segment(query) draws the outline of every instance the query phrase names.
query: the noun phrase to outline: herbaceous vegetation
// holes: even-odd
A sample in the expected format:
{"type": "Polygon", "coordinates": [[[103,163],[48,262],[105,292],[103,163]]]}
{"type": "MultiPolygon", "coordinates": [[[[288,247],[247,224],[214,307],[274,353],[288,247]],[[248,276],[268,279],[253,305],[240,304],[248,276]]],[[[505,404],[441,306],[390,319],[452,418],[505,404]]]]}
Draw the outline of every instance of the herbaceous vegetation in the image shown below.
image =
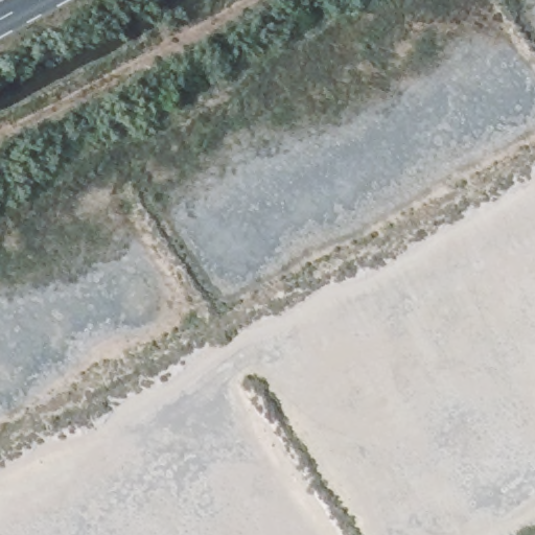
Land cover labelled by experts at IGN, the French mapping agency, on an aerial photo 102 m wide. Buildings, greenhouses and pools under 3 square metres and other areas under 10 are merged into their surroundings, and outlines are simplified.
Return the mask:
{"type": "Polygon", "coordinates": [[[286,127],[293,121],[309,119],[309,115],[324,113],[341,117],[341,113],[349,107],[351,96],[364,94],[368,100],[387,98],[391,82],[431,75],[437,67],[441,67],[443,61],[447,61],[453,54],[453,40],[474,42],[476,33],[483,33],[487,40],[506,44],[510,42],[510,36],[504,31],[502,21],[512,19],[518,31],[529,42],[531,50],[535,52],[535,0],[351,0],[347,4],[347,10],[339,10],[336,19],[330,19],[324,13],[322,23],[305,31],[303,38],[297,40],[293,46],[284,48],[282,42],[276,38],[263,54],[251,54],[247,59],[249,67],[242,69],[242,73],[236,79],[228,82],[222,90],[209,90],[199,94],[194,104],[178,109],[176,113],[167,115],[165,130],[157,130],[155,138],[144,136],[144,140],[134,140],[130,134],[117,136],[113,150],[100,150],[98,155],[92,155],[88,159],[79,159],[77,153],[71,150],[71,163],[65,165],[65,171],[56,180],[56,184],[52,184],[50,190],[40,192],[38,201],[29,201],[31,211],[21,215],[15,209],[6,207],[4,217],[0,215],[0,284],[31,284],[33,288],[44,288],[52,280],[59,280],[65,284],[75,284],[82,276],[92,272],[94,263],[119,261],[132,247],[134,238],[140,236],[132,222],[132,207],[148,194],[148,184],[171,180],[178,176],[180,167],[188,165],[190,159],[211,155],[213,150],[222,148],[224,138],[230,132],[247,130],[251,125],[278,130],[286,127]]]}
{"type": "Polygon", "coordinates": [[[67,19],[73,19],[82,10],[82,6],[77,4],[79,0],[59,0],[48,13],[36,15],[25,25],[0,33],[0,71],[6,73],[15,69],[8,56],[13,50],[23,46],[31,48],[31,54],[38,59],[42,59],[44,50],[54,50],[65,56],[67,46],[63,42],[63,36],[56,33],[56,27],[61,27],[67,19]]]}

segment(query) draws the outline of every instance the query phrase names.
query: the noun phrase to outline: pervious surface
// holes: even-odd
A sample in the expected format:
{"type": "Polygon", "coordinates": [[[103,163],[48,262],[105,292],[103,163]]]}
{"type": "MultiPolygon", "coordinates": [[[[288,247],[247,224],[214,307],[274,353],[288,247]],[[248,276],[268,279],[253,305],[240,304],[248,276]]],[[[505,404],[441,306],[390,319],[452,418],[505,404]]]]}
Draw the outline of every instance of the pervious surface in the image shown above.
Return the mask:
{"type": "Polygon", "coordinates": [[[178,364],[159,370],[155,376],[138,376],[138,387],[142,391],[127,393],[125,397],[109,397],[111,412],[92,418],[90,428],[56,428],[56,433],[46,437],[44,443],[33,443],[29,449],[23,449],[21,458],[8,460],[6,466],[0,468],[0,535],[343,535],[343,529],[330,514],[330,506],[320,497],[318,491],[309,491],[311,474],[307,468],[299,468],[299,453],[284,441],[282,435],[276,433],[278,422],[268,420],[265,414],[253,408],[251,397],[255,391],[247,391],[242,387],[242,380],[249,374],[263,376],[270,382],[270,391],[278,397],[293,431],[307,445],[311,458],[318,462],[318,470],[322,472],[324,481],[339,495],[349,514],[355,516],[355,522],[364,535],[535,535],[535,163],[531,167],[531,178],[527,182],[512,184],[497,196],[497,201],[489,201],[479,207],[468,207],[462,219],[458,219],[456,224],[439,226],[435,234],[426,236],[420,242],[408,245],[408,251],[403,251],[397,259],[387,259],[380,268],[362,268],[355,272],[355,276],[345,278],[341,282],[341,259],[322,263],[313,272],[313,276],[320,278],[324,274],[330,274],[332,280],[326,286],[313,290],[305,301],[284,309],[278,316],[263,316],[261,320],[255,320],[240,332],[236,328],[226,330],[224,339],[228,341],[228,345],[205,345],[180,357],[178,364]]]}
{"type": "Polygon", "coordinates": [[[25,416],[27,408],[42,405],[56,397],[61,391],[69,391],[73,382],[82,380],[82,370],[86,370],[90,364],[100,359],[119,359],[127,347],[134,347],[136,343],[146,345],[155,341],[163,332],[169,332],[173,326],[180,326],[182,320],[186,324],[192,324],[199,318],[205,320],[211,316],[207,301],[194,288],[186,270],[169,253],[165,240],[161,236],[140,236],[134,238],[132,247],[119,261],[94,263],[92,272],[82,276],[75,284],[65,284],[59,280],[52,280],[44,288],[33,288],[31,284],[0,284],[0,424],[15,422],[25,416]]]}
{"type": "Polygon", "coordinates": [[[263,282],[280,278],[288,270],[297,274],[305,263],[311,263],[322,255],[332,253],[334,247],[343,247],[345,240],[351,240],[355,247],[372,245],[376,236],[385,234],[387,224],[401,219],[401,213],[395,211],[395,207],[399,203],[405,203],[410,196],[418,194],[418,190],[431,188],[433,199],[439,199],[449,192],[449,188],[453,188],[458,180],[466,180],[476,171],[483,171],[493,161],[512,157],[520,146],[535,144],[535,52],[531,50],[529,42],[518,31],[512,19],[502,21],[504,31],[510,36],[510,42],[506,44],[487,40],[483,33],[476,33],[474,42],[453,40],[453,54],[447,61],[443,61],[441,67],[437,67],[431,75],[391,82],[387,98],[368,100],[364,94],[351,96],[349,107],[341,113],[341,117],[324,113],[309,115],[309,119],[293,121],[286,127],[278,130],[251,125],[247,130],[230,132],[224,138],[222,148],[213,150],[211,155],[190,159],[188,165],[180,167],[178,176],[171,180],[148,184],[148,194],[155,196],[155,201],[163,201],[165,196],[169,196],[176,228],[186,247],[190,249],[190,253],[199,257],[213,286],[222,295],[242,299],[245,293],[259,293],[259,286],[263,282]]]}
{"type": "Polygon", "coordinates": [[[203,19],[194,23],[182,27],[180,31],[176,27],[159,23],[161,42],[157,46],[144,50],[140,56],[127,63],[117,65],[98,79],[88,82],[75,88],[73,92],[67,92],[59,102],[48,102],[46,107],[13,123],[0,125],[0,146],[8,136],[19,134],[25,127],[38,127],[42,121],[56,121],[65,117],[65,113],[77,109],[82,102],[92,102],[94,98],[109,96],[109,88],[117,88],[121,92],[136,77],[142,75],[142,71],[153,69],[157,56],[165,59],[169,54],[184,52],[184,48],[192,42],[207,40],[211,33],[222,33],[230,21],[240,17],[245,8],[255,8],[261,13],[263,4],[259,0],[228,0],[215,15],[203,19]]]}

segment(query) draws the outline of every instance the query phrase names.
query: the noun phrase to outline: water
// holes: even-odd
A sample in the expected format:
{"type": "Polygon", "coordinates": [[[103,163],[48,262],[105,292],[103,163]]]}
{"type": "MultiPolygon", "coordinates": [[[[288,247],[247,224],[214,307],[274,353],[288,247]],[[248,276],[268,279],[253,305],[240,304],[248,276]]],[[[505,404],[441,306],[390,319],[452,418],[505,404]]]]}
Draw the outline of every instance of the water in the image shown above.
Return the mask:
{"type": "Polygon", "coordinates": [[[199,8],[205,0],[180,0],[178,4],[190,15],[194,23],[203,19],[199,17],[199,8]]]}
{"type": "Polygon", "coordinates": [[[125,36],[130,40],[140,38],[142,31],[153,27],[134,13],[123,25],[125,36]]]}
{"type": "Polygon", "coordinates": [[[38,67],[29,77],[6,79],[0,86],[0,111],[46,88],[48,84],[73,73],[75,69],[117,50],[121,46],[119,40],[102,40],[98,44],[79,48],[71,56],[65,56],[54,67],[48,67],[42,61],[38,61],[38,67]]]}

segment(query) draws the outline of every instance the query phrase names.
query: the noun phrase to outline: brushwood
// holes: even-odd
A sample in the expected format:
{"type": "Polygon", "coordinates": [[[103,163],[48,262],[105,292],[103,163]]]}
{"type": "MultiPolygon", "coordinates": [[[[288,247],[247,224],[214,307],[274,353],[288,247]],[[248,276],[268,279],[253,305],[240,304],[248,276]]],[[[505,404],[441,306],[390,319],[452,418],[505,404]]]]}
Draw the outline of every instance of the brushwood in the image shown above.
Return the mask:
{"type": "Polygon", "coordinates": [[[127,63],[140,56],[144,50],[157,46],[161,42],[159,23],[176,27],[180,31],[182,27],[194,23],[190,15],[178,4],[180,0],[79,0],[77,4],[82,6],[82,10],[73,19],[67,19],[61,27],[56,27],[56,33],[63,36],[63,42],[67,46],[65,56],[71,56],[79,48],[98,44],[102,40],[119,40],[121,46],[117,50],[75,69],[73,73],[48,84],[46,88],[0,111],[0,125],[13,123],[46,107],[48,102],[59,102],[67,92],[73,92],[75,88],[88,82],[98,79],[117,65],[127,63]],[[134,13],[153,27],[142,31],[140,38],[130,40],[125,36],[123,25],[134,13]]]}
{"type": "Polygon", "coordinates": [[[155,341],[146,345],[136,343],[134,347],[127,347],[119,359],[100,359],[90,364],[86,370],[82,370],[82,380],[73,382],[69,391],[61,391],[56,397],[42,405],[27,408],[25,416],[15,422],[0,424],[0,468],[6,466],[8,460],[21,458],[23,449],[29,449],[33,443],[44,443],[46,437],[56,433],[56,428],[90,428],[92,418],[111,412],[109,397],[125,397],[127,393],[142,391],[138,387],[138,376],[155,376],[159,370],[178,364],[180,357],[205,345],[228,345],[228,341],[224,339],[226,330],[236,328],[240,332],[255,320],[261,320],[263,316],[278,316],[284,309],[305,301],[313,290],[326,286],[332,280],[330,274],[324,274],[320,278],[313,276],[313,272],[322,263],[341,259],[341,282],[345,278],[355,276],[355,272],[362,268],[380,268],[387,259],[397,259],[403,251],[408,251],[408,245],[420,242],[426,236],[435,234],[439,226],[456,224],[458,219],[462,219],[468,207],[479,207],[489,201],[497,201],[497,196],[512,184],[527,182],[531,178],[531,167],[535,163],[535,144],[520,146],[512,157],[493,161],[483,171],[476,171],[466,180],[458,180],[453,188],[449,188],[449,192],[439,199],[433,199],[431,188],[418,190],[418,194],[410,196],[405,203],[399,203],[395,207],[395,211],[401,213],[401,219],[387,224],[385,234],[376,236],[372,245],[355,247],[351,240],[345,240],[343,247],[334,247],[332,253],[322,255],[311,263],[305,263],[297,274],[288,270],[280,278],[263,282],[259,286],[259,293],[245,293],[242,299],[222,295],[213,286],[199,257],[190,253],[190,249],[186,247],[176,228],[169,196],[165,196],[163,201],[155,201],[155,196],[148,194],[132,207],[132,222],[140,236],[161,236],[165,240],[169,253],[186,270],[194,288],[207,301],[211,316],[205,320],[199,318],[192,324],[186,324],[182,320],[180,326],[173,326],[169,332],[163,332],[155,341]]]}
{"type": "Polygon", "coordinates": [[[82,102],[77,109],[65,113],[65,117],[56,121],[42,121],[38,127],[25,127],[19,134],[8,136],[0,146],[0,215],[4,217],[6,207],[15,209],[21,215],[31,211],[29,201],[38,201],[40,192],[50,190],[52,184],[56,184],[56,180],[65,171],[65,165],[71,163],[71,150],[77,153],[79,159],[88,159],[92,155],[98,155],[100,150],[113,150],[117,136],[130,134],[134,140],[144,140],[144,136],[155,138],[157,130],[165,130],[167,115],[176,113],[178,109],[194,104],[199,94],[209,90],[222,90],[228,82],[236,79],[242,73],[242,69],[249,67],[247,59],[251,54],[263,54],[276,38],[282,42],[284,48],[293,46],[297,40],[303,38],[305,31],[322,23],[324,13],[330,19],[336,19],[339,10],[347,10],[347,4],[351,0],[259,0],[263,4],[261,13],[255,8],[245,8],[240,17],[230,21],[222,33],[211,33],[207,40],[192,42],[184,48],[184,52],[169,54],[165,59],[157,56],[153,69],[142,71],[142,75],[136,77],[121,92],[117,88],[109,88],[109,96],[94,98],[92,102],[82,102]]]}
{"type": "Polygon", "coordinates": [[[278,397],[270,391],[270,382],[263,376],[249,374],[242,380],[242,387],[247,391],[255,391],[251,397],[253,408],[265,414],[268,420],[278,422],[276,433],[282,435],[284,441],[299,453],[299,468],[307,468],[311,474],[309,491],[318,491],[320,497],[330,506],[330,514],[343,529],[343,535],[364,535],[355,522],[355,516],[349,514],[339,495],[324,481],[322,472],[318,470],[318,462],[311,458],[307,445],[293,431],[278,397]]]}
{"type": "Polygon", "coordinates": [[[38,61],[42,61],[48,67],[54,67],[65,56],[54,50],[44,50],[42,59],[38,59],[31,54],[31,48],[23,46],[13,50],[8,56],[15,69],[6,73],[0,71],[0,86],[6,79],[29,77],[38,67],[38,61]]]}
{"type": "Polygon", "coordinates": [[[228,0],[205,0],[199,8],[199,17],[203,19],[215,15],[228,0]]]}

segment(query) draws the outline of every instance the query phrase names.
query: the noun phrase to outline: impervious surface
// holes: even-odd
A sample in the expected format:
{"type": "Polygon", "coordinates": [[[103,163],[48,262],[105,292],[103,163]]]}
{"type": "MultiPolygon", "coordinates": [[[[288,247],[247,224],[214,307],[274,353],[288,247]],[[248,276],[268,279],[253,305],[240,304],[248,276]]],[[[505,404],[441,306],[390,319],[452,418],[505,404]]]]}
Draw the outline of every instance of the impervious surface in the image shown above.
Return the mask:
{"type": "Polygon", "coordinates": [[[59,0],[0,0],[0,33],[25,25],[36,15],[48,13],[59,0]]]}

